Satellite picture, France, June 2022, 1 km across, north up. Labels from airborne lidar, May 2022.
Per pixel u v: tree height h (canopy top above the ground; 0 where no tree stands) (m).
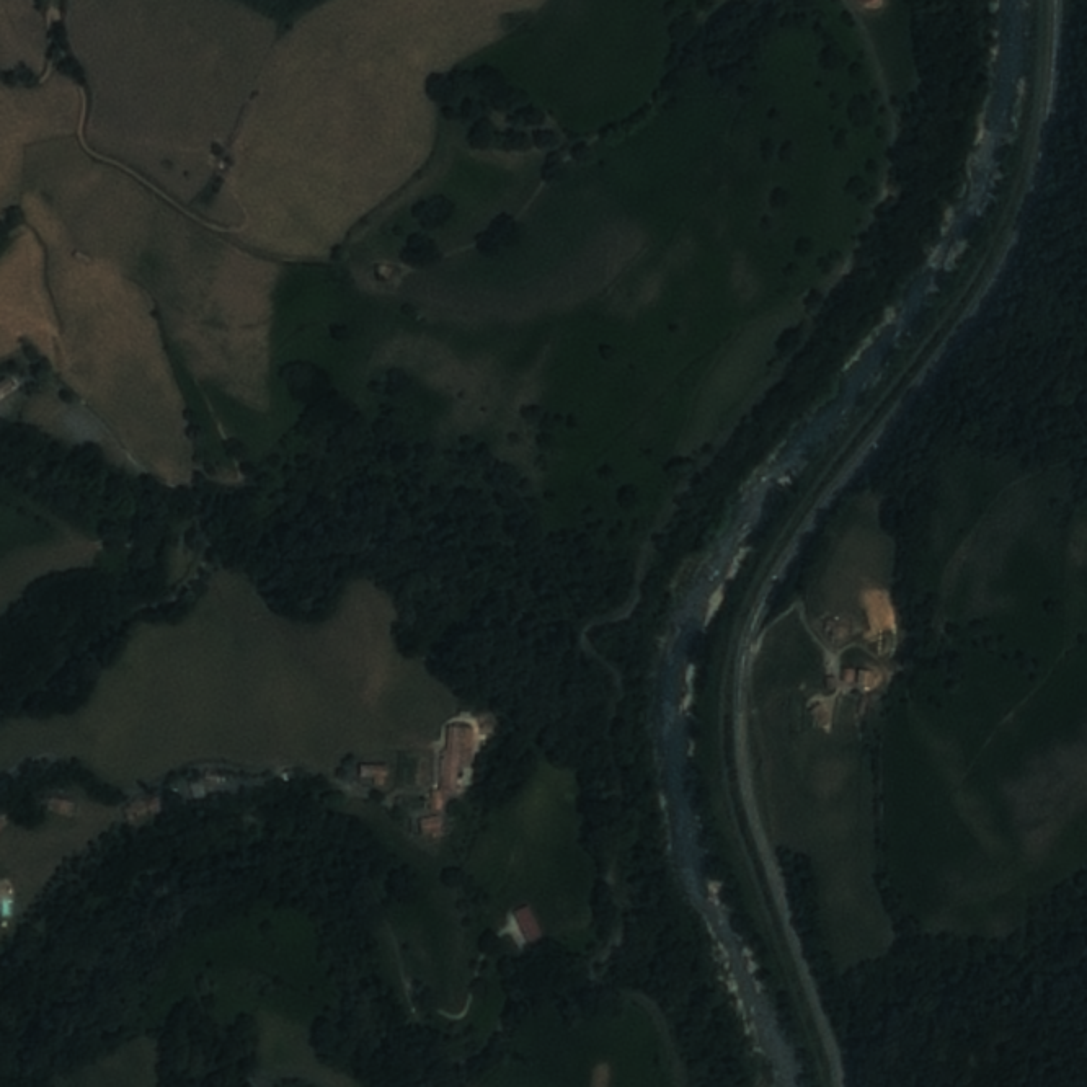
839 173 0
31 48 0
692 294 0
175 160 0
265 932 7
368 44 0
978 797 0
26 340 13
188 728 0
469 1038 8
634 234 0
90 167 0
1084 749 0
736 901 17
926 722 0
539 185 0
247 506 24
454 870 13
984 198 0
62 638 25
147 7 0
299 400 8
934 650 19
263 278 0
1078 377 16
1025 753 0
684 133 0
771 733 0
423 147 0
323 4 0
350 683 0
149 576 22
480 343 0
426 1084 28
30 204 0
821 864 0
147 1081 0
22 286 0
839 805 0
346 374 0
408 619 13
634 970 19
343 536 25
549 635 9
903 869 0
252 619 0
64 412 0
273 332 0
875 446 0
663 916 26
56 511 10
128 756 0
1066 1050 19
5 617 9
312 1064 0
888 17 0
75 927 20
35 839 0
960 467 0
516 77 0
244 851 20
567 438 0
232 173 0
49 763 10
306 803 20
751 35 19
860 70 12
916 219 26
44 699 24
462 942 0
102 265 0
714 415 0
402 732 0
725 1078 26
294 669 0
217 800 15
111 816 0
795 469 0
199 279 0
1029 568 0
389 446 16
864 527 0
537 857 0
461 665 21
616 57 0
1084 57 18
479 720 0
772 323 0
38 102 0
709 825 15
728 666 0
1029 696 0
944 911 0
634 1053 0
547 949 18
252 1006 0
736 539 0
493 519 17
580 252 0
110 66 0
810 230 0
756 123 0
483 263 0
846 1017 9
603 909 19
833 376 17
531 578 12
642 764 13
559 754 29
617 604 15
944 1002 21
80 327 0
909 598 7
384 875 19
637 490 14
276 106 0
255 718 0
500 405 0
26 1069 26
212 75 0
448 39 0
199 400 0
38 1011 8
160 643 0
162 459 0
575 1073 0
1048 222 24
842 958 0
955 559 0
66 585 18
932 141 24
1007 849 0
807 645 0
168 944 16
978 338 22
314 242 0
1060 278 16
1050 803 0
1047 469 8
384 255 0
